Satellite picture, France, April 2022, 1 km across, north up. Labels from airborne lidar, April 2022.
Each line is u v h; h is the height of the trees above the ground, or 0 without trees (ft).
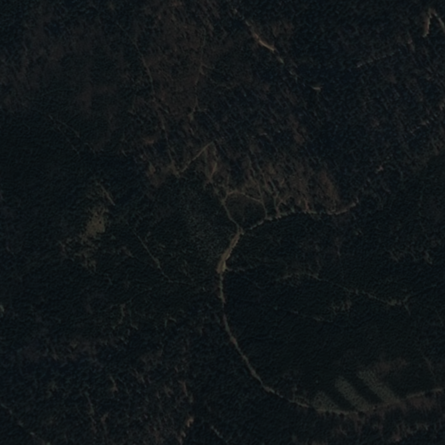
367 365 43
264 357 51
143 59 24
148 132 34
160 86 36
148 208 22
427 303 21
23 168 35
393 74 40
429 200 26
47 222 42
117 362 46
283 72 50
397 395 47
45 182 42
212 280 23
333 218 38
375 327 34
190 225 31
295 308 27
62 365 55
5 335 32
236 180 25
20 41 47
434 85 37
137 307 20
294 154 24
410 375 31
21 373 38
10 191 27
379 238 28
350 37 114
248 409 114
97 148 32
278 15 117
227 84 25
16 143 26
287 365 28
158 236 25
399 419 58
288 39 37
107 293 43
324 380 29
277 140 103
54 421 30
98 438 89
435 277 47
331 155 35
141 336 30
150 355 26
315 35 100
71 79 39
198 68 30
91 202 28
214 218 30
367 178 100
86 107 28
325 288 26
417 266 27
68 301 47
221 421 45
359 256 36
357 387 37
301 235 34
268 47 0
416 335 36
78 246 31
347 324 42
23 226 45
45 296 55
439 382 42
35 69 31
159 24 32
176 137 77
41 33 27
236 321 50
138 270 24
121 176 80
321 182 21
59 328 28
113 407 95
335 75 126
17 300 70
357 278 32
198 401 60
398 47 132
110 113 32
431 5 58
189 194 23
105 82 37
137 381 51
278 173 44
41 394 30
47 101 35
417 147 105
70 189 26
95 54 32
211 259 29
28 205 36
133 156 31
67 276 42
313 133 34
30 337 42
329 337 58
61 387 43
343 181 82
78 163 37
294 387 38
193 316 93
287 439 56
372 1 109
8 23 39
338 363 31
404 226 18
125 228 20
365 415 52
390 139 99
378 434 83
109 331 21
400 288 30
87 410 77
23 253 42
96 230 0
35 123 47
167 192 37
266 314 22
